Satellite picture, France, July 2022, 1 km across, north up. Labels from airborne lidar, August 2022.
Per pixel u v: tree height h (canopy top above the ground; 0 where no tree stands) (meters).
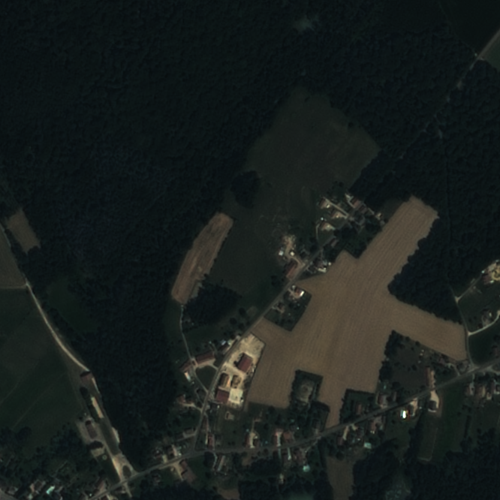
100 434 0
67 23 26
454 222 17
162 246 17
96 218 22
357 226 7
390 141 24
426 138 19
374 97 28
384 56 29
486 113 27
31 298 0
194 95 22
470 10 0
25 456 8
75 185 24
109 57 21
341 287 0
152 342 27
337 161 0
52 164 27
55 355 0
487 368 0
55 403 0
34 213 21
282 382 0
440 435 0
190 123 25
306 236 0
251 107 15
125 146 29
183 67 22
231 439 0
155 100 22
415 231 0
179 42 18
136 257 22
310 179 0
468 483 24
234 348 0
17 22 28
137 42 22
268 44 17
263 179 0
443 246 21
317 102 0
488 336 0
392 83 25
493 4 0
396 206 0
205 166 18
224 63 27
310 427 8
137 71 23
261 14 22
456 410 0
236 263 0
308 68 15
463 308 0
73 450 26
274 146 0
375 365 0
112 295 22
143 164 31
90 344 23
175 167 24
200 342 0
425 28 10
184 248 21
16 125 19
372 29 7
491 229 20
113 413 18
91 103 21
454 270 18
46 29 25
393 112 30
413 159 21
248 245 0
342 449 12
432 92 26
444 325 0
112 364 27
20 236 0
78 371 0
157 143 23
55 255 20
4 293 0
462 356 0
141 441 19
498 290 0
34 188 8
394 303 0
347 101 25
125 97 25
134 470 0
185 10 28
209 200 17
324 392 0
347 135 0
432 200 19
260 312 0
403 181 19
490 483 21
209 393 0
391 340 11
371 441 9
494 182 19
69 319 0
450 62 28
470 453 27
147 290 17
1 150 29
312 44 22
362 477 29
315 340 0
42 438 0
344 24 15
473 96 26
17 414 0
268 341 0
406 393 6
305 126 0
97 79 21
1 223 12
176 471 0
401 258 0
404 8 8
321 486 25
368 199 17
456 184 18
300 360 0
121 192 24
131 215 26
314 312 0
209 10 27
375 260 0
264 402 0
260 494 17
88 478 0
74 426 0
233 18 19
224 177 25
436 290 20
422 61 25
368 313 0
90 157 20
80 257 19
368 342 0
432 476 22
